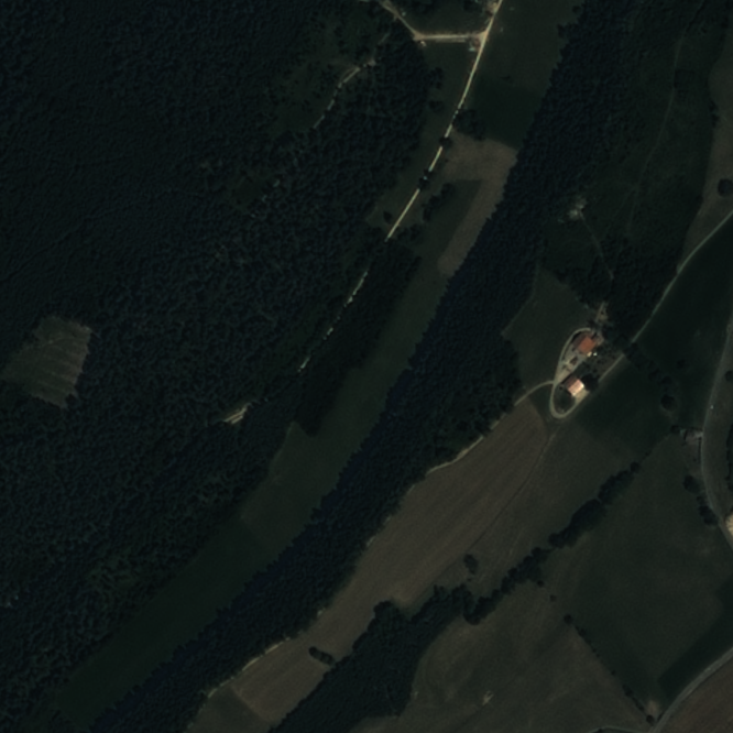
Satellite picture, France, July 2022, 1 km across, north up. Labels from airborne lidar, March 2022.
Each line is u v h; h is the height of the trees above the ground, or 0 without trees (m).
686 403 0
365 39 10
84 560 26
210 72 25
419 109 13
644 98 8
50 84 20
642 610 0
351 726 14
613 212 0
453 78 0
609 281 8
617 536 0
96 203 13
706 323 0
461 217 0
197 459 25
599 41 9
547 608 0
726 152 0
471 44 0
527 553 0
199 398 31
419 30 0
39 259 16
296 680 0
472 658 0
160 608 0
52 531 24
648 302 9
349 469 0
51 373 0
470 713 0
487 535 0
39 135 18
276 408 18
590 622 0
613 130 10
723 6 8
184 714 12
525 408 0
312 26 11
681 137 0
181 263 30
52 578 26
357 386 0
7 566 24
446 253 0
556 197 12
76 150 12
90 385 15
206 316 29
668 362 0
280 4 16
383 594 0
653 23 12
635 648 0
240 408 0
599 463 0
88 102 17
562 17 0
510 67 0
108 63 16
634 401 0
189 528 13
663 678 0
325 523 27
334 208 24
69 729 9
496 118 0
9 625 27
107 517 23
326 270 29
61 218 14
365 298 10
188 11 29
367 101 13
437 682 0
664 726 0
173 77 30
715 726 0
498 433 0
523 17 0
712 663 0
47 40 19
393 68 15
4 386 19
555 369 0
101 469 34
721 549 0
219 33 30
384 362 0
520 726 0
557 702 0
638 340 0
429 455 20
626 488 14
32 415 20
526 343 0
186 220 23
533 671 0
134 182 20
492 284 20
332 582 20
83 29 14
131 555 7
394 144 23
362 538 16
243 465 19
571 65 15
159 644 0
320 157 26
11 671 16
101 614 24
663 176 0
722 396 0
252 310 27
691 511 0
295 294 33
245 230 24
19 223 16
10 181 12
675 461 0
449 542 0
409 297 0
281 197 15
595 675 0
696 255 0
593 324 19
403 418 20
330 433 0
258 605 27
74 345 0
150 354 31
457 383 11
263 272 32
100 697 0
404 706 14
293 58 12
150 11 15
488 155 0
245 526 0
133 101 29
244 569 0
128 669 0
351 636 0
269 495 0
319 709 13
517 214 11
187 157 9
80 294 15
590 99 15
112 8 15
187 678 26
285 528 0
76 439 27
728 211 0
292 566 26
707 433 0
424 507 0
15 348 16
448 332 25
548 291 0
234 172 23
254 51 12
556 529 0
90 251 11
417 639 20
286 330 30
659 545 0
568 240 0
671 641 0
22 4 8
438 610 20
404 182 0
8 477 24
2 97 22
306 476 0
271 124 14
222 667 23
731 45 0
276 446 19
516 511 0
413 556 0
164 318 28
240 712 0
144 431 31
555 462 0
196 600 0
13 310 15
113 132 15
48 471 28
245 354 29
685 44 0
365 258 13
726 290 0
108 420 30
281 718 0
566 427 0
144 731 25
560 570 0
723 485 0
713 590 0
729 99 0
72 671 32
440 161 0
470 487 0
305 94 0
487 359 13
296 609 18
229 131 16
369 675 15
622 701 0
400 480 14
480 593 0
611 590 0
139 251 22
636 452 0
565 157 17
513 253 23
